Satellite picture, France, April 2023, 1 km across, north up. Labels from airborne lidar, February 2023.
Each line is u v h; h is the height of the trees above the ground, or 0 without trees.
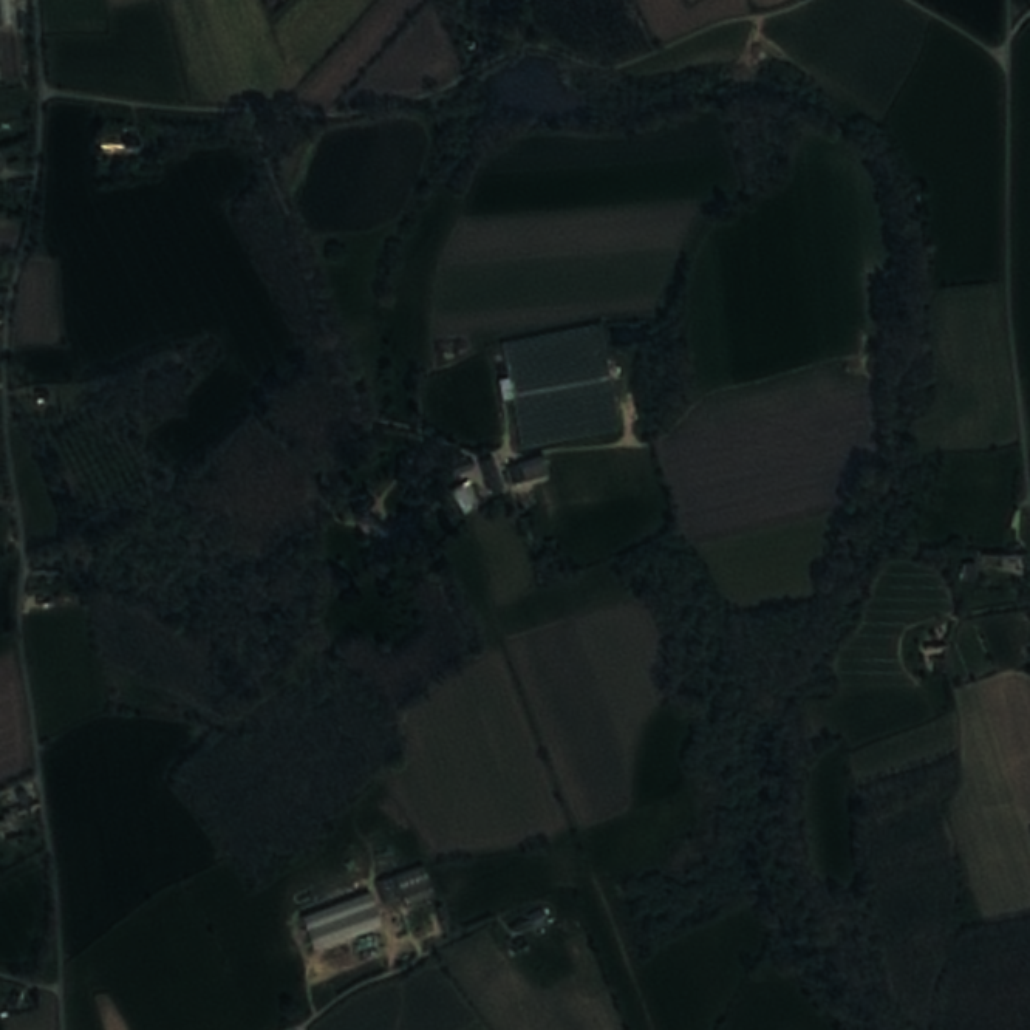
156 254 0
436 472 19
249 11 0
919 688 0
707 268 0
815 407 0
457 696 0
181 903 0
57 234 0
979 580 7
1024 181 0
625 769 0
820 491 0
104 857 0
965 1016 14
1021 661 0
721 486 0
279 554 17
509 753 0
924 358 10
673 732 0
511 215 0
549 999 0
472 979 0
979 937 14
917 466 14
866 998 17
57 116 0
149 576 19
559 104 0
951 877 12
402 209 0
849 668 0
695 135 0
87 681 0
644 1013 0
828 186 0
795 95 8
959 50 0
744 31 0
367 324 0
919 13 0
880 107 0
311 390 17
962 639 0
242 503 18
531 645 0
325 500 19
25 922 0
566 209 0
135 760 0
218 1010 0
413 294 0
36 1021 0
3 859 7
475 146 21
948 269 0
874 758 0
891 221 18
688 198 0
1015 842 0
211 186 0
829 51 0
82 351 0
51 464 20
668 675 21
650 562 15
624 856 0
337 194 0
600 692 0
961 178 0
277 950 0
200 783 17
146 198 0
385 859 0
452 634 18
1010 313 0
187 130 12
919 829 12
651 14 0
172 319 0
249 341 0
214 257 0
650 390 9
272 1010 0
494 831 0
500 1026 0
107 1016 0
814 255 0
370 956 0
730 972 0
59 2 0
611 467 0
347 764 14
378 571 19
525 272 0
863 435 0
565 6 16
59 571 10
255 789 16
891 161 11
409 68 0
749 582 0
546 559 8
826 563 13
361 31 0
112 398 19
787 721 23
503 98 0
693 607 9
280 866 0
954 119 0
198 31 0
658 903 9
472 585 0
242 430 15
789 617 16
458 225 0
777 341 0
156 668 14
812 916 18
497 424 0
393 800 0
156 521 18
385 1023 0
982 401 0
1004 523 0
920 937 8
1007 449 0
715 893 7
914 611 0
